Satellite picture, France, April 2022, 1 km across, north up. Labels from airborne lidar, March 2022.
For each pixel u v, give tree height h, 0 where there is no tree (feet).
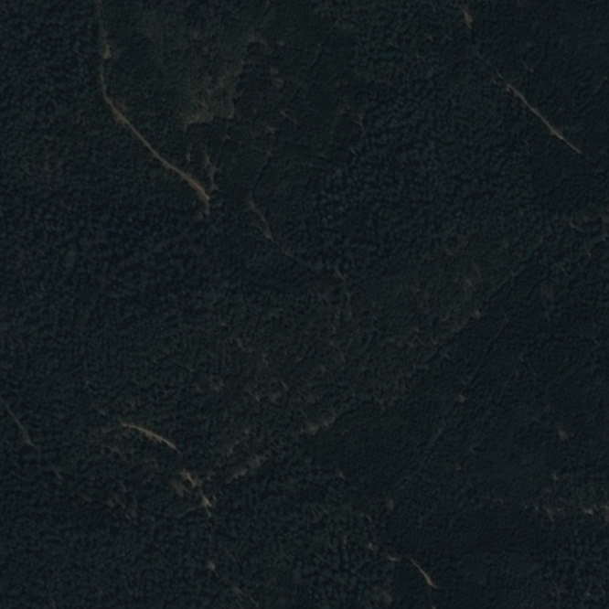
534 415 51
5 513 80
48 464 64
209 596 25
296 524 26
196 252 64
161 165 55
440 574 72
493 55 79
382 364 87
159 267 57
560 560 97
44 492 86
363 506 37
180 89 32
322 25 54
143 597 28
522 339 87
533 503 51
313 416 56
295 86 68
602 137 56
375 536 94
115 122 26
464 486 55
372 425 51
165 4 53
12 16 29
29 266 55
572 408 66
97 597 100
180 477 34
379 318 37
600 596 87
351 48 46
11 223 94
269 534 91
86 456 75
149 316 73
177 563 83
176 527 71
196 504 46
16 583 87
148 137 26
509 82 87
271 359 74
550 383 57
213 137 55
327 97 50
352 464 53
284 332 70
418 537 94
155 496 70
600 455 49
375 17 89
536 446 52
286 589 34
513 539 76
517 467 50
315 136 57
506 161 95
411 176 26
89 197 47
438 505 67
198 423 40
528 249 78
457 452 62
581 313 76
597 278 64
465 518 53
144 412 81
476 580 53
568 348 78
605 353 46
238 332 96
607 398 55
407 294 50
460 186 98
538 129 64
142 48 33
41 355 75
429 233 96
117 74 26
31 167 28
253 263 64
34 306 92
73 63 23
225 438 75
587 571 71
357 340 74
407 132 90
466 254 51
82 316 77
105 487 56
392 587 28
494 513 49
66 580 93
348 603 39
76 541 92
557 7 37
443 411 71
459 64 70
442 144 61
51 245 88
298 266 75
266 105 77
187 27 21
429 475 73
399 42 55
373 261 98
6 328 107
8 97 72
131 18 38
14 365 92
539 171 33
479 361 72
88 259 55
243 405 83
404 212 115
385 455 59
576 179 74
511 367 82
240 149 65
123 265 113
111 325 68
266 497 36
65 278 83
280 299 74
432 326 28
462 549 68
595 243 108
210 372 45
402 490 80
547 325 88
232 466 62
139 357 85
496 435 48
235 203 52
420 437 71
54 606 86
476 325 71
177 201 29
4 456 83
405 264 73
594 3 64
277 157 72
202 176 35
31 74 83
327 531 123
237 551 83
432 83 100
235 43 58
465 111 80
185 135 44
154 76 29
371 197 75
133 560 99
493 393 83
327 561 118
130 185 35
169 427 69
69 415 79
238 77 28
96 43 33
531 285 79
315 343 60
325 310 97
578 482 52
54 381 52
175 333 73
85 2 40
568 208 69
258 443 80
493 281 55
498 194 98
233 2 60
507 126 54
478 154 85
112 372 95
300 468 99
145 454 79
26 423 106
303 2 73
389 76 84
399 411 54
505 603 93
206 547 90
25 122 78
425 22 83
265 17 41
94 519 31
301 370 82
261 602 33
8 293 65
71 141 30
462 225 85
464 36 85
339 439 31
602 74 61
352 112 36
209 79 29
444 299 54
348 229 79
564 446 52
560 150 59
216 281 58
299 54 69
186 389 85
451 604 59
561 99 52
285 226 63
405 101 52
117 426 91
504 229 101
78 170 73
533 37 51
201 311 41
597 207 130
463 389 68
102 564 83
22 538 83
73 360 66
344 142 60
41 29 54
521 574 73
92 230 100
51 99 85
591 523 39
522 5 58
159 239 93
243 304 74
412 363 47
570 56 59
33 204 65
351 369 75
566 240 78
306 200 81
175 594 84
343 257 57
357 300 65
